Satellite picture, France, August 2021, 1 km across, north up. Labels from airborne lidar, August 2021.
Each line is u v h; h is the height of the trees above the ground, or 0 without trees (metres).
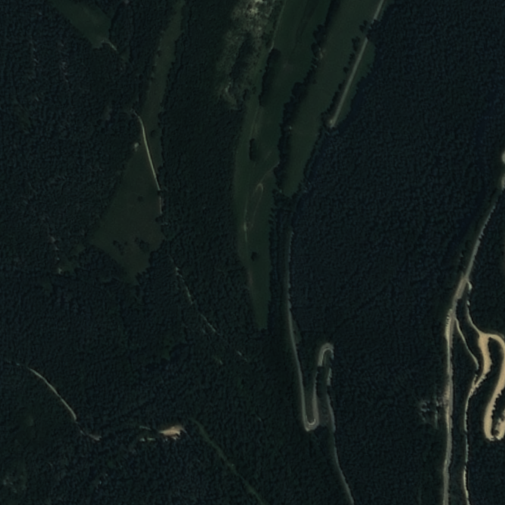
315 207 25
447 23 22
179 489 30
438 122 21
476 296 12
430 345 12
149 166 0
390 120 27
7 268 24
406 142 24
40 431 12
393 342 17
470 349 9
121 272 21
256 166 0
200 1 15
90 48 13
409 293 32
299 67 0
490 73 19
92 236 10
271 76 24
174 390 28
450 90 27
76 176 20
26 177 20
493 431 5
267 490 15
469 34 21
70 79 21
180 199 24
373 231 23
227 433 17
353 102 0
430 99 21
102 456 21
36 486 16
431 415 14
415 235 18
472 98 23
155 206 0
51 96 12
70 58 19
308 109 0
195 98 15
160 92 0
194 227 10
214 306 26
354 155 24
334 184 28
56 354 24
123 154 14
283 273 17
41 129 19
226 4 15
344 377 19
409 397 15
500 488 22
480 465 19
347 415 21
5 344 20
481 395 16
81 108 22
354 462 19
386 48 25
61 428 22
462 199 22
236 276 28
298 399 14
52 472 22
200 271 24
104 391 21
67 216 22
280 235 19
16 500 7
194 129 18
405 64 25
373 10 0
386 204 30
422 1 26
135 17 14
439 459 8
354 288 24
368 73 0
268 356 27
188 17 15
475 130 19
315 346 14
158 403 22
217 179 14
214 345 19
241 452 27
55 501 21
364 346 17
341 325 14
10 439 15
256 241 0
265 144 0
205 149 16
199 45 18
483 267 10
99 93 17
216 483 22
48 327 30
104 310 19
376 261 27
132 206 0
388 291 25
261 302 0
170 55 0
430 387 6
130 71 14
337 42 0
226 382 23
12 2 23
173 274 18
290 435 27
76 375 20
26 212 13
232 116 18
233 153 15
